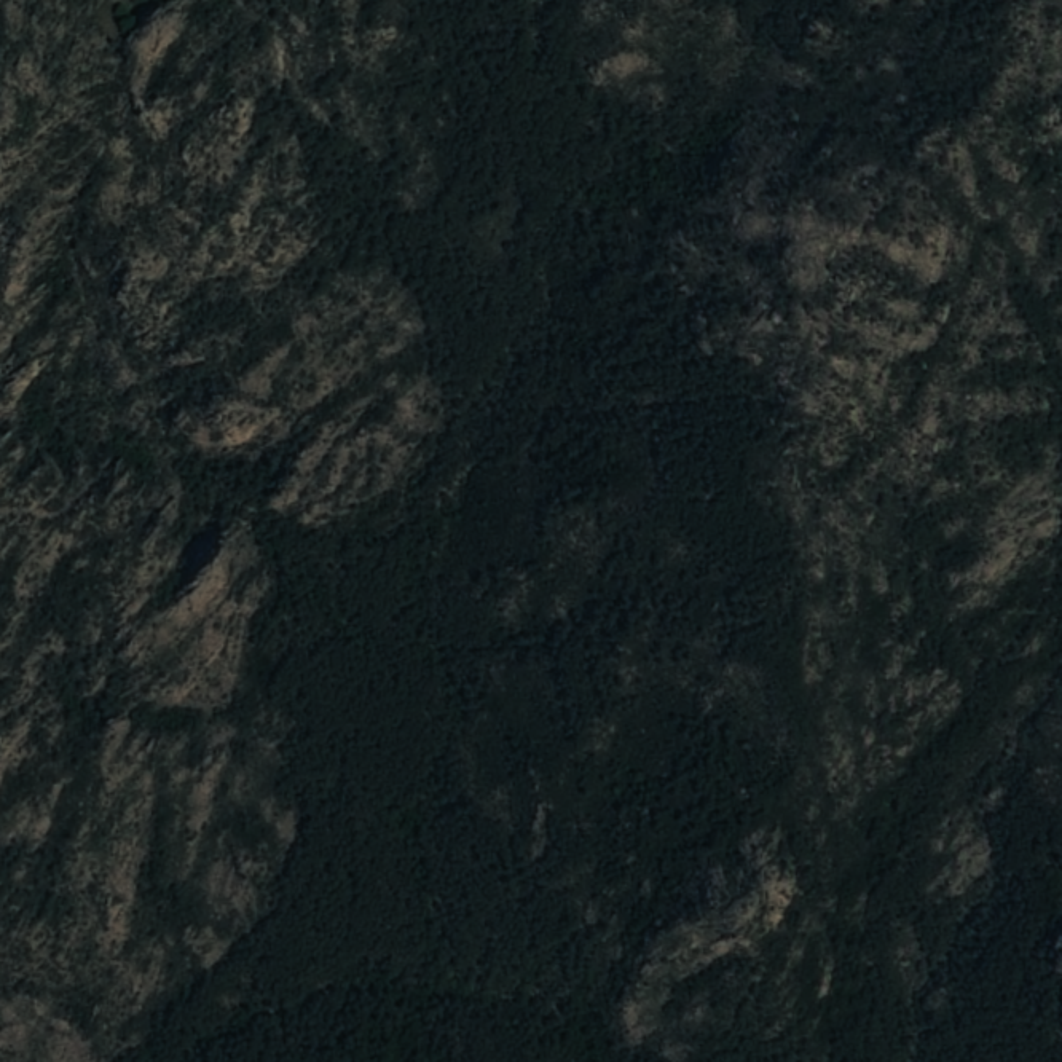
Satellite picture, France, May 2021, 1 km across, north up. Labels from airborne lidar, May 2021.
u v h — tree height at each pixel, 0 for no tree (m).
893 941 16
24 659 12
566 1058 7
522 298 19
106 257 9
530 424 20
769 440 16
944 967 23
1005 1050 21
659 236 19
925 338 0
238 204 14
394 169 17
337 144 22
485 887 25
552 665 23
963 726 21
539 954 23
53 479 12
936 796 16
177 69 11
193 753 6
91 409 11
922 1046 25
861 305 11
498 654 24
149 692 10
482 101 25
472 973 24
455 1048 27
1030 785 19
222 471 27
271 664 7
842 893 12
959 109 10
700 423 18
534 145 28
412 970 27
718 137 6
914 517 10
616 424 17
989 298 9
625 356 17
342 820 28
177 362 7
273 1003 31
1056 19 10
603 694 17
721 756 6
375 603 25
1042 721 15
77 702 15
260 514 11
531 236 23
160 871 13
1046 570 6
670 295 23
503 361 15
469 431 21
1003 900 8
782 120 18
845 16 17
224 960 11
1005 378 12
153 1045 23
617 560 20
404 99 18
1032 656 22
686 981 8
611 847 10
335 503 21
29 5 16
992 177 13
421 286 24
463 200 15
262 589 7
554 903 27
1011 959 16
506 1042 26
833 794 12
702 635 14
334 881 33
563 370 7
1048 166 18
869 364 0
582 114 21
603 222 20
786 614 8
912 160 15
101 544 6
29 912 19
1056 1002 21
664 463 19
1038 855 22
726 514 17
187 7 10
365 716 30
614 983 14
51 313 6
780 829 6
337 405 10
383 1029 29
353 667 28
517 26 22
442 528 18
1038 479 0
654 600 13
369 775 25
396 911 27
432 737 29
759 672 17
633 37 0
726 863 7
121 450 13
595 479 9
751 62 11
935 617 19
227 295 8
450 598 29
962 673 22
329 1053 34
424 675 24
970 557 12
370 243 14
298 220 15
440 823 32
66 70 11
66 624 22
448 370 13
